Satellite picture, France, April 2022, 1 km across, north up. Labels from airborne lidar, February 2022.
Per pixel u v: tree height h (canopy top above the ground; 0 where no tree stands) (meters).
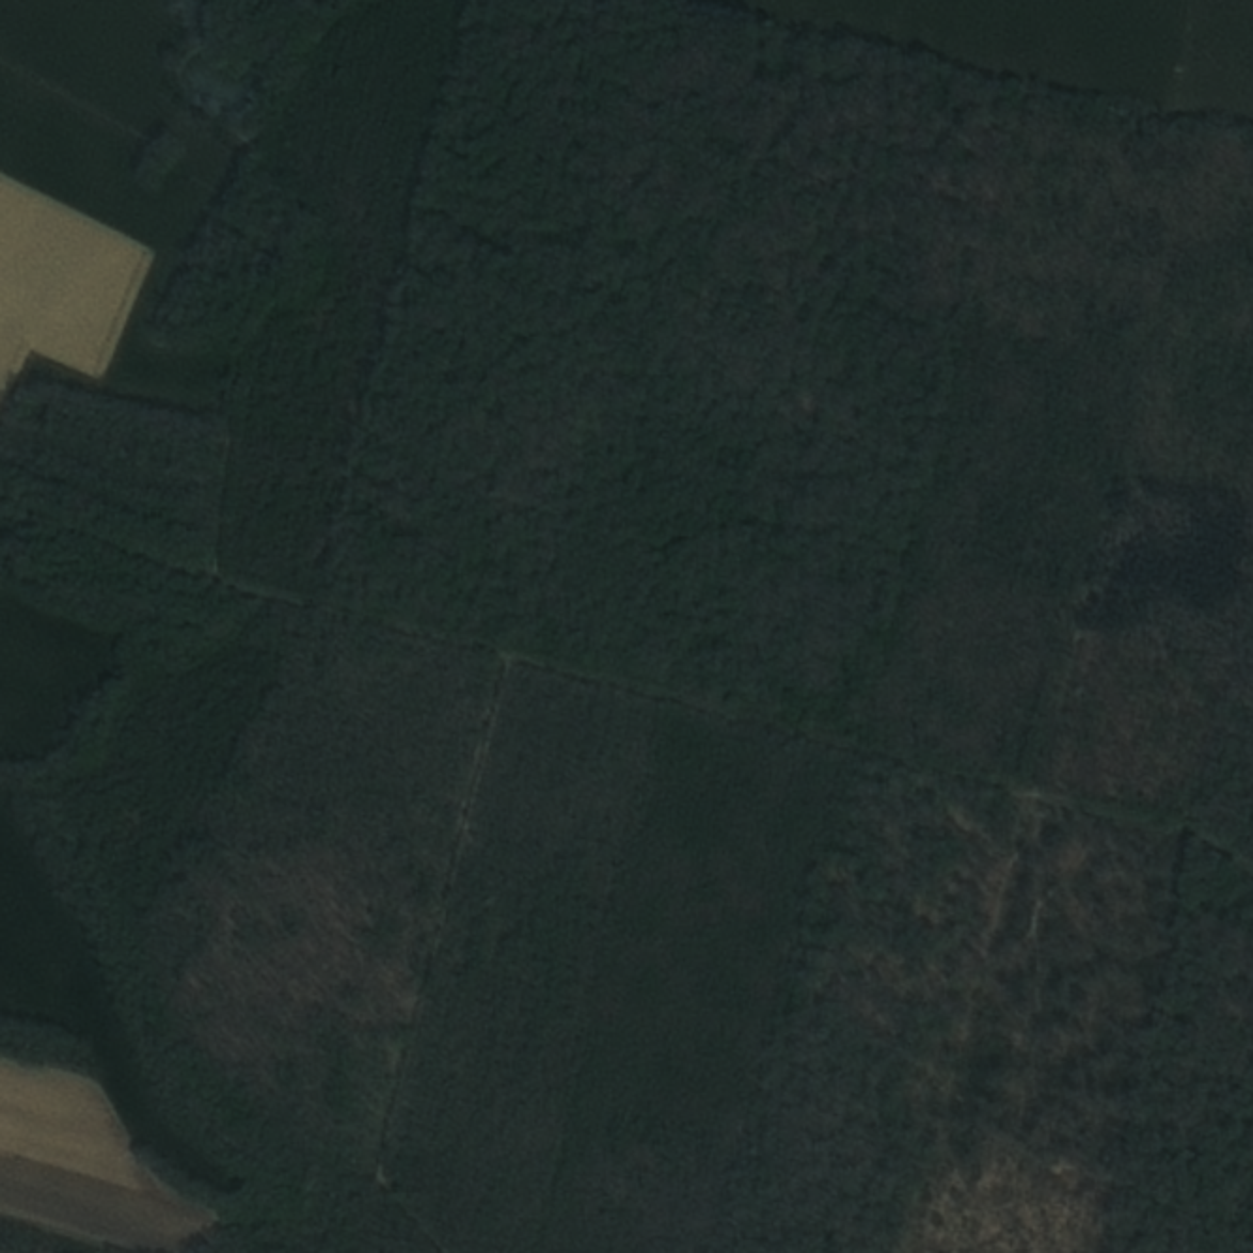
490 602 22
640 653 25
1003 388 14
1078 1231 0
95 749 18
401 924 22
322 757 18
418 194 23
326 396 8
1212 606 24
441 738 17
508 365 25
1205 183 0
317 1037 23
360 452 26
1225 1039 26
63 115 0
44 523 21
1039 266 0
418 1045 18
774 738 17
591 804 15
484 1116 19
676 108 25
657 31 29
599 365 26
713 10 29
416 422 29
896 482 19
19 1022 20
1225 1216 22
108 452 24
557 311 28
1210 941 25
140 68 0
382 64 7
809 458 22
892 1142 17
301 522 9
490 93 25
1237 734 23
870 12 0
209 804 15
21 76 0
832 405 26
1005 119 26
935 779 26
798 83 29
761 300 25
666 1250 15
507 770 15
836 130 31
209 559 20
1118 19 0
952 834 28
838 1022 25
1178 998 24
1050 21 0
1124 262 19
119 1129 0
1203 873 29
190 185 0
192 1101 27
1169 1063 23
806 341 23
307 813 20
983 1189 0
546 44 28
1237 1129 21
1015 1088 28
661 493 23
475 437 26
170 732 6
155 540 26
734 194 26
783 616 26
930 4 0
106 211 0
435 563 28
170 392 0
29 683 0
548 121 25
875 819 27
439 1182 19
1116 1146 18
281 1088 22
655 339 22
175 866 21
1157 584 23
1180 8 0
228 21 24
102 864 13
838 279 27
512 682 16
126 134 0
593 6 28
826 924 12
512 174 27
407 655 17
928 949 28
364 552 26
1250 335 0
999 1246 0
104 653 0
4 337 0
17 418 27
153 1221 0
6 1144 0
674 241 24
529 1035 16
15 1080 0
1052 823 24
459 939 14
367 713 17
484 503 23
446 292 26
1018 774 14
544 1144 18
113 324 0
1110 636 15
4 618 0
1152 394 0
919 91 26
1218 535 26
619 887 16
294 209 26
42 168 0
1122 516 16
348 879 21
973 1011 28
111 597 25
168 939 21
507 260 28
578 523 25
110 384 0
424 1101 19
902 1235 24
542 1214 13
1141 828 0
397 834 18
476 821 16
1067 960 25
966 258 25
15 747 0
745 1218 24
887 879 27
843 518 26
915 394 26
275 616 15
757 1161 15
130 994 25
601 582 28
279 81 24
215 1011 25
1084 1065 0
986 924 28
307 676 18
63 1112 0
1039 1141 27
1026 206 19
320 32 21
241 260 18
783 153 23
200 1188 26
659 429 25
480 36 27
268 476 8
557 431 28
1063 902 29
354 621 20
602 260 26
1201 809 24
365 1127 23
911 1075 23
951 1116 27
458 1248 17
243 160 17
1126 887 29
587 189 25
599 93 27
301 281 25
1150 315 0
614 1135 15
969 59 0
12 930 0
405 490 27
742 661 24
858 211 28
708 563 21
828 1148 25
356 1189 21
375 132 6
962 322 18
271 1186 26
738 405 25
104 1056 0
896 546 22
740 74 29
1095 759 14
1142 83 0
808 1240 22
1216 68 0
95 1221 0
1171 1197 26
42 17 0
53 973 0
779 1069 25
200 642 25
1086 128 19
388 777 18
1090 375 13
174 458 22
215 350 15
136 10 0
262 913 24
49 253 0
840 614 27
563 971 17
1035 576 18
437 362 27
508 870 18
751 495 26
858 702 25
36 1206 0
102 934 21
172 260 0
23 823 16
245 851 22
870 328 25
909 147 26
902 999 31
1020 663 13
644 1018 11
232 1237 19
